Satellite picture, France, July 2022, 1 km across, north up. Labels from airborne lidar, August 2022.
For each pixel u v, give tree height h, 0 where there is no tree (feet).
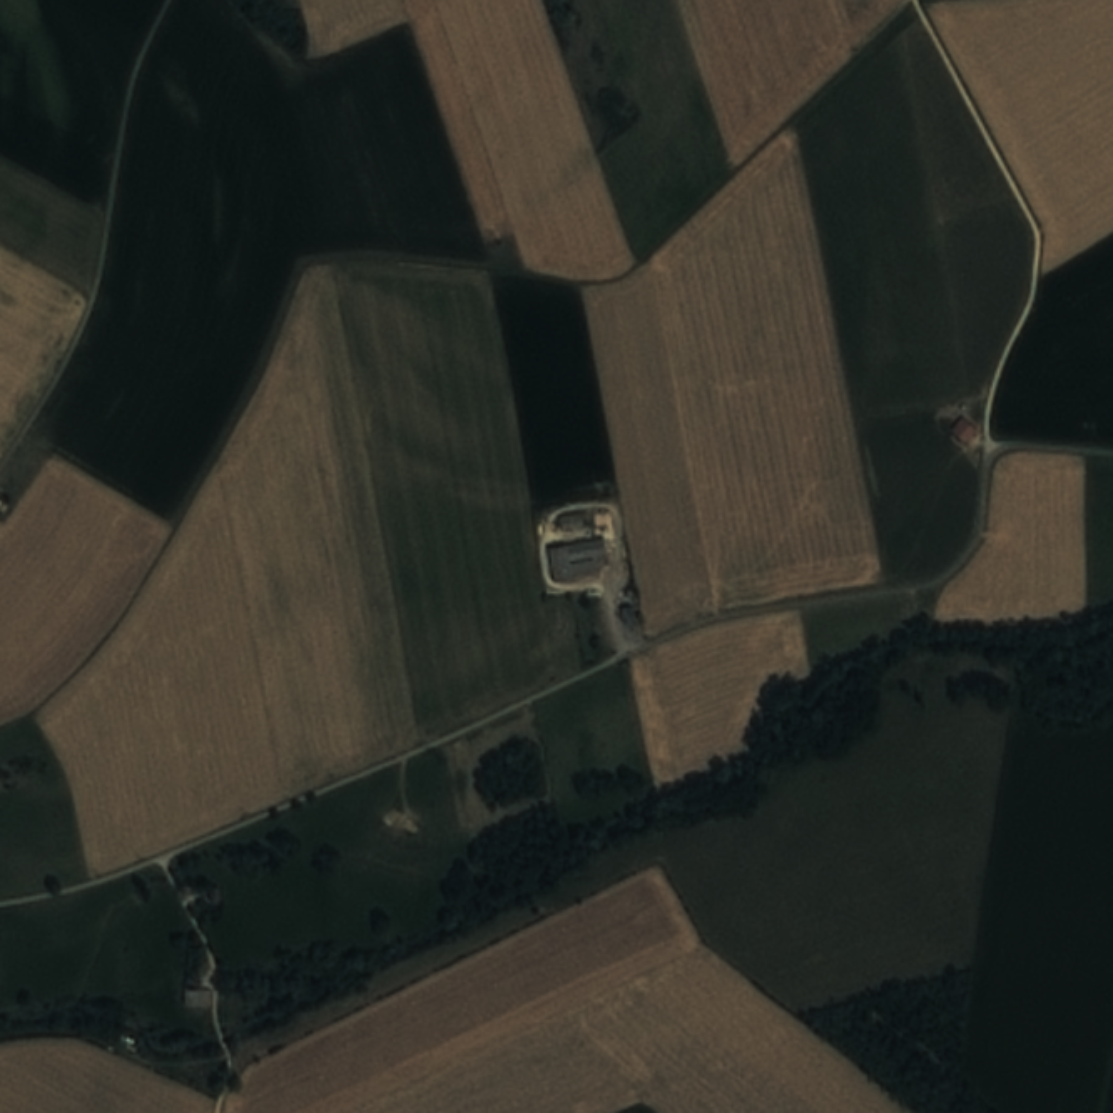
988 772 0
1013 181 0
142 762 0
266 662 0
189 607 0
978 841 0
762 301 0
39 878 0
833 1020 54
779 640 0
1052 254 0
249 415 0
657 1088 0
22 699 0
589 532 0
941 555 0
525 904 47
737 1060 0
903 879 0
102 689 0
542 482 0
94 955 0
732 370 0
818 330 0
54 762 0
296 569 0
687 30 0
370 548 0
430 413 0
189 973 24
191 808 0
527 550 0
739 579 0
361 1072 0
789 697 80
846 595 0
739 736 0
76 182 0
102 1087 0
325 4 0
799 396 0
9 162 0
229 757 0
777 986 0
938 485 0
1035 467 0
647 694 0
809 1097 0
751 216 0
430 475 0
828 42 0
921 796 0
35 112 0
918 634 66
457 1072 0
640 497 0
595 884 0
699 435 0
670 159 0
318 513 0
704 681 0
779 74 0
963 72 0
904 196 0
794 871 0
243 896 0
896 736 0
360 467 0
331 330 0
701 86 0
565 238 0
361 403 0
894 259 0
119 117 0
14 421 0
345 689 0
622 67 0
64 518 0
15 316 0
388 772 0
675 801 71
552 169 0
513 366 0
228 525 0
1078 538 0
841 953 0
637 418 0
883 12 0
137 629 0
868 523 0
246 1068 0
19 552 0
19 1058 0
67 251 0
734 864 0
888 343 0
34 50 0
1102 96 0
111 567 0
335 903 0
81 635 0
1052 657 71
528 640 0
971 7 0
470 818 0
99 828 0
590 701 0
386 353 0
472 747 0
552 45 0
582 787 69
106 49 0
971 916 0
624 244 0
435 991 0
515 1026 0
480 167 0
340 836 0
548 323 0
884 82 0
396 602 0
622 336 0
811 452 0
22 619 0
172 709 0
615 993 0
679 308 0
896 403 0
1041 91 0
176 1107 0
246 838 0
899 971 0
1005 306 0
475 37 0
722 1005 0
